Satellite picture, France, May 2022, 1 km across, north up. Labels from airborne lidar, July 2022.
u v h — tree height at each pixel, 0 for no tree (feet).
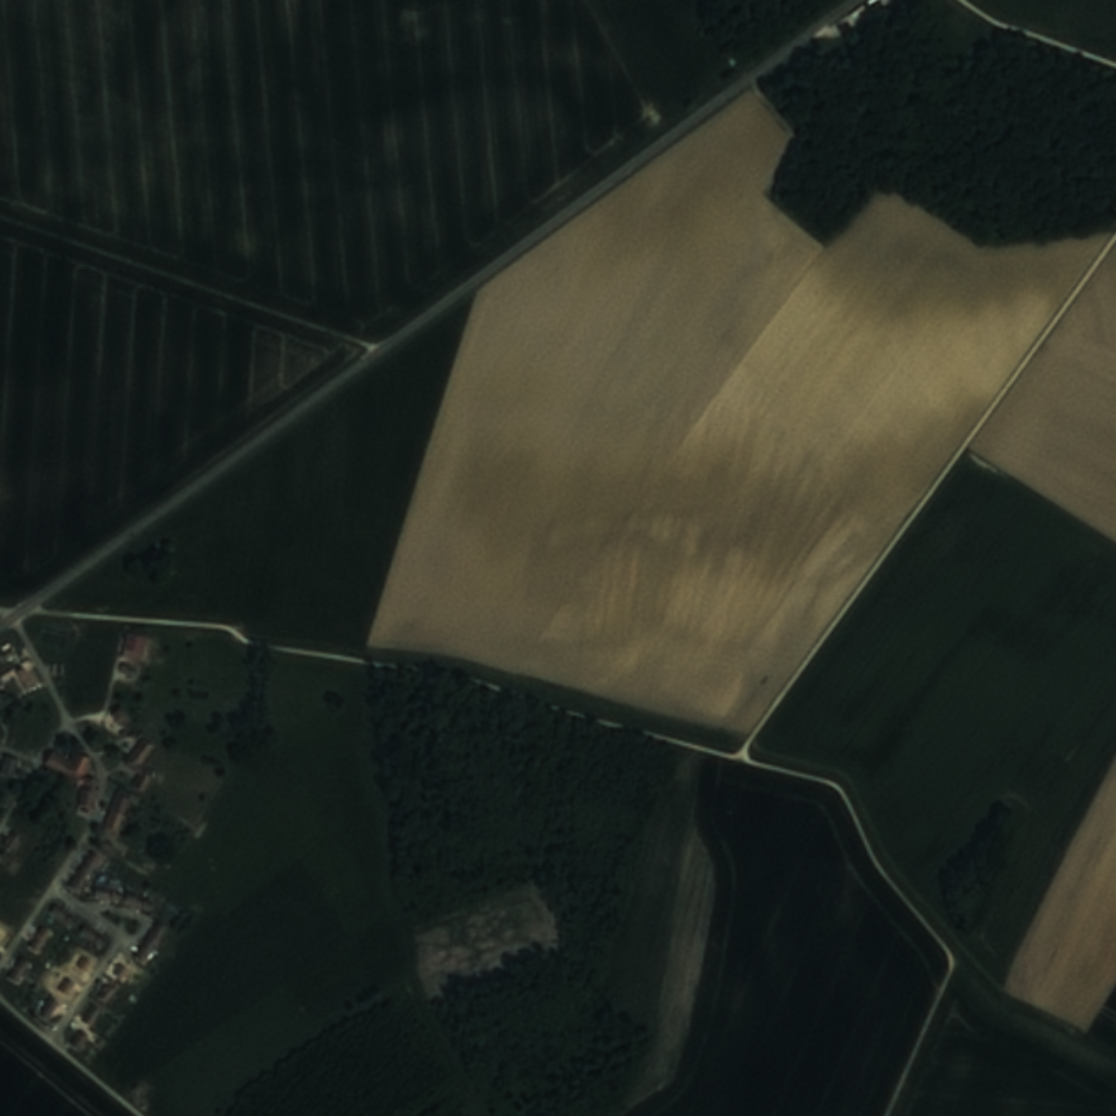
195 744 0
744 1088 0
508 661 0
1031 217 80
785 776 0
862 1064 0
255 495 0
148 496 0
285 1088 31
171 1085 0
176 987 0
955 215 67
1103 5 0
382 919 0
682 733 0
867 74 66
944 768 0
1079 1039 0
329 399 0
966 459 0
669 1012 0
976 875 86
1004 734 0
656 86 0
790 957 0
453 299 0
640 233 0
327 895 0
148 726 0
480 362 0
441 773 83
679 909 0
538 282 0
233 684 0
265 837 0
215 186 0
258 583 0
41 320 0
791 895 0
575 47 0
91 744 43
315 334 0
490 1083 43
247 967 0
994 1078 0
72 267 0
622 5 0
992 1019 0
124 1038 0
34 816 35
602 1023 77
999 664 0
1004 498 0
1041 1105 0
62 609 0
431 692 81
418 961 0
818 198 70
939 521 0
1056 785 0
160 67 0
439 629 0
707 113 0
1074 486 0
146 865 0
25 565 0
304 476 0
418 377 0
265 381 0
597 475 0
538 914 0
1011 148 87
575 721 41
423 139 0
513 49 0
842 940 0
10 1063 0
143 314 0
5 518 0
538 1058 64
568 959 54
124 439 0
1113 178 70
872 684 0
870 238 0
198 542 0
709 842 0
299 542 0
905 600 0
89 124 0
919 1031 0
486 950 0
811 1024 0
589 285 0
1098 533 0
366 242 0
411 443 0
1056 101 85
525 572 0
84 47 0
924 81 91
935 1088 0
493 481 0
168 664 0
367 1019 33
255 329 0
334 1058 32
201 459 0
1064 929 0
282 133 0
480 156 0
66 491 0
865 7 0
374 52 0
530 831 67
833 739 0
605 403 0
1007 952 0
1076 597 0
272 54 0
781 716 0
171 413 0
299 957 0
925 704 0
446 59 0
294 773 0
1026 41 64
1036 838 0
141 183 0
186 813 0
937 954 0
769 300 0
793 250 0
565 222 0
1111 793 0
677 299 0
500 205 0
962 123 69
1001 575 0
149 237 0
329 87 0
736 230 0
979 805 0
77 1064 0
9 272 0
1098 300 0
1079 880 0
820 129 78
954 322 0
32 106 0
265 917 0
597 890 34
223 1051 0
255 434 0
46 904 0
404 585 0
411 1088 31
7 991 0
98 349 0
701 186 0
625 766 50
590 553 0
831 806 0
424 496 0
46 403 0
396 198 0
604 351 0
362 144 0
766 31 67
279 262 0
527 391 0
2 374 0
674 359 0
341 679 0
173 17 0
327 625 0
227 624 0
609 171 0
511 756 81
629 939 0
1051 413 0
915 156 64
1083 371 0
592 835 47
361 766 0
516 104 0
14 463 0
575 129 0
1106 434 0
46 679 0
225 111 0
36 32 0
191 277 0
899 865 0
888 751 0
